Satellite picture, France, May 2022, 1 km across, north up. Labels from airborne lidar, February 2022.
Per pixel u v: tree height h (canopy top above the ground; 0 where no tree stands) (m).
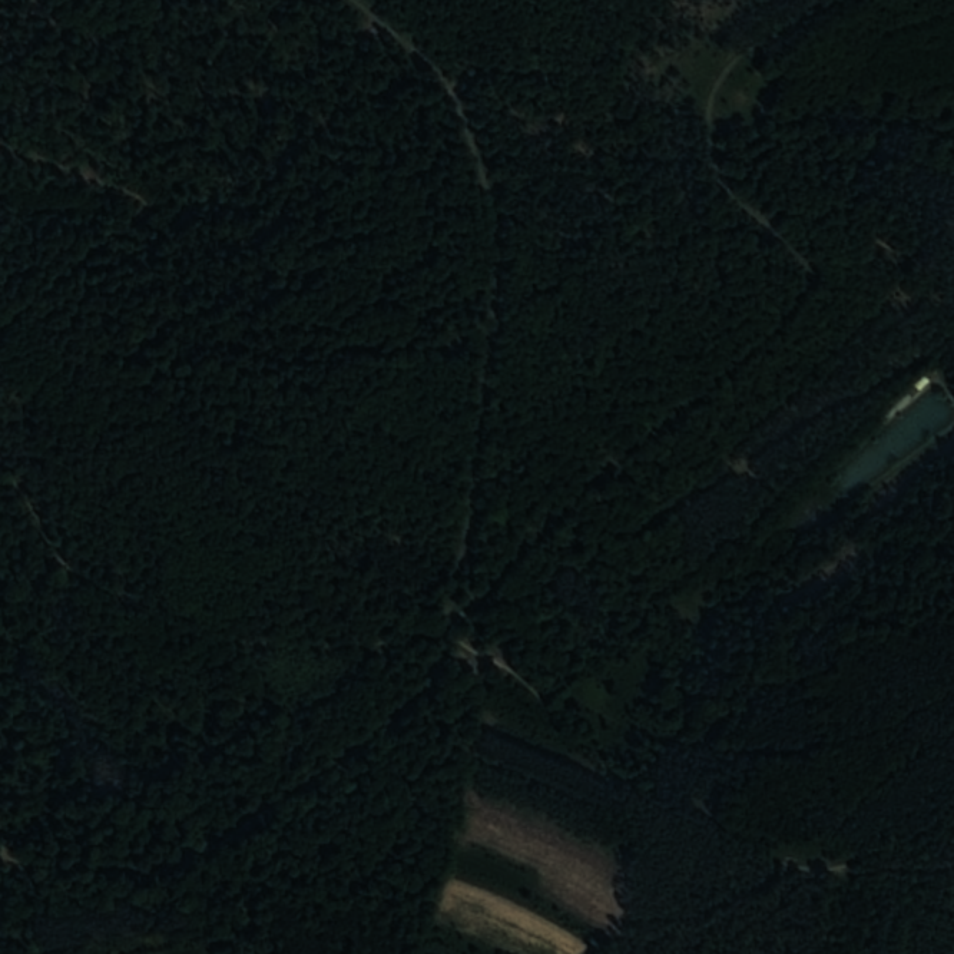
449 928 0
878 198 25
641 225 24
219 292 7
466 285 24
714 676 36
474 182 19
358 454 21
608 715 0
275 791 28
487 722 0
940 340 21
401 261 28
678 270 24
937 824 14
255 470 29
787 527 12
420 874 28
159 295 19
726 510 29
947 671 18
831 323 23
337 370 29
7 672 11
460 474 26
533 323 24
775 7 25
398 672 25
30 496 28
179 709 30
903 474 0
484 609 30
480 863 0
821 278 24
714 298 26
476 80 24
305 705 15
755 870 18
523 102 27
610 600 32
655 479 28
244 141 10
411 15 23
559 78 28
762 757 23
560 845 0
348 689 24
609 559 32
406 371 25
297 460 24
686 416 27
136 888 35
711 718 19
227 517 25
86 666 31
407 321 26
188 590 25
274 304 32
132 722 35
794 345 27
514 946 0
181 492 30
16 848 32
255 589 26
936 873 9
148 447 29
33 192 25
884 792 20
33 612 30
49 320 25
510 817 0
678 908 24
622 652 36
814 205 29
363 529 28
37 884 32
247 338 18
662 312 24
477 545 28
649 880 24
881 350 29
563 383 26
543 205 24
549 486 29
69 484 32
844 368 32
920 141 29
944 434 0
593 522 28
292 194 28
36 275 31
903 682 18
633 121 24
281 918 16
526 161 17
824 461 32
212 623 22
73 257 27
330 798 31
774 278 26
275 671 20
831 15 32
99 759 38
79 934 22
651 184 26
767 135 34
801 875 20
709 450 27
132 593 29
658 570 33
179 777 39
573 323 26
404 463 30
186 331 18
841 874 0
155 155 32
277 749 28
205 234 13
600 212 29
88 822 38
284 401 29
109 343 22
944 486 32
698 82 0
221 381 26
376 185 28
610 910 0
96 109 33
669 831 25
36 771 37
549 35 27
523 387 23
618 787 31
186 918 21
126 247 30
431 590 28
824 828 21
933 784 18
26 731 21
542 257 23
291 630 29
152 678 27
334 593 26
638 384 24
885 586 22
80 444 25
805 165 35
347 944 32
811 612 28
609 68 21
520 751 27
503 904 0
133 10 33
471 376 24
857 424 27
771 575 19
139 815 36
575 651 26
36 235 28
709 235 30
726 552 26
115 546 28
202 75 30
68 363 27
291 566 26
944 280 27
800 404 26
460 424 24
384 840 29
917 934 19
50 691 27
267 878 28
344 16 26
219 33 28
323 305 29
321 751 29
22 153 30
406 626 25
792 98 31
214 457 28
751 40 25
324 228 28
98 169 34
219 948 25
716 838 22
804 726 18
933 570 34
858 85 27
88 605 30
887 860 14
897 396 19
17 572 38
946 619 19
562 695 24
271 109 30
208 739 37
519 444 30
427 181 32
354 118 33
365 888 28
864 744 23
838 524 20
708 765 20
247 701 34
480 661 0
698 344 27
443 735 31
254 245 9
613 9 28
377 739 31
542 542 22
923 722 17
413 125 31
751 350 26
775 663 37
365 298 20
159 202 8
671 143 26
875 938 16
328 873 22
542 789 14
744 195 29
